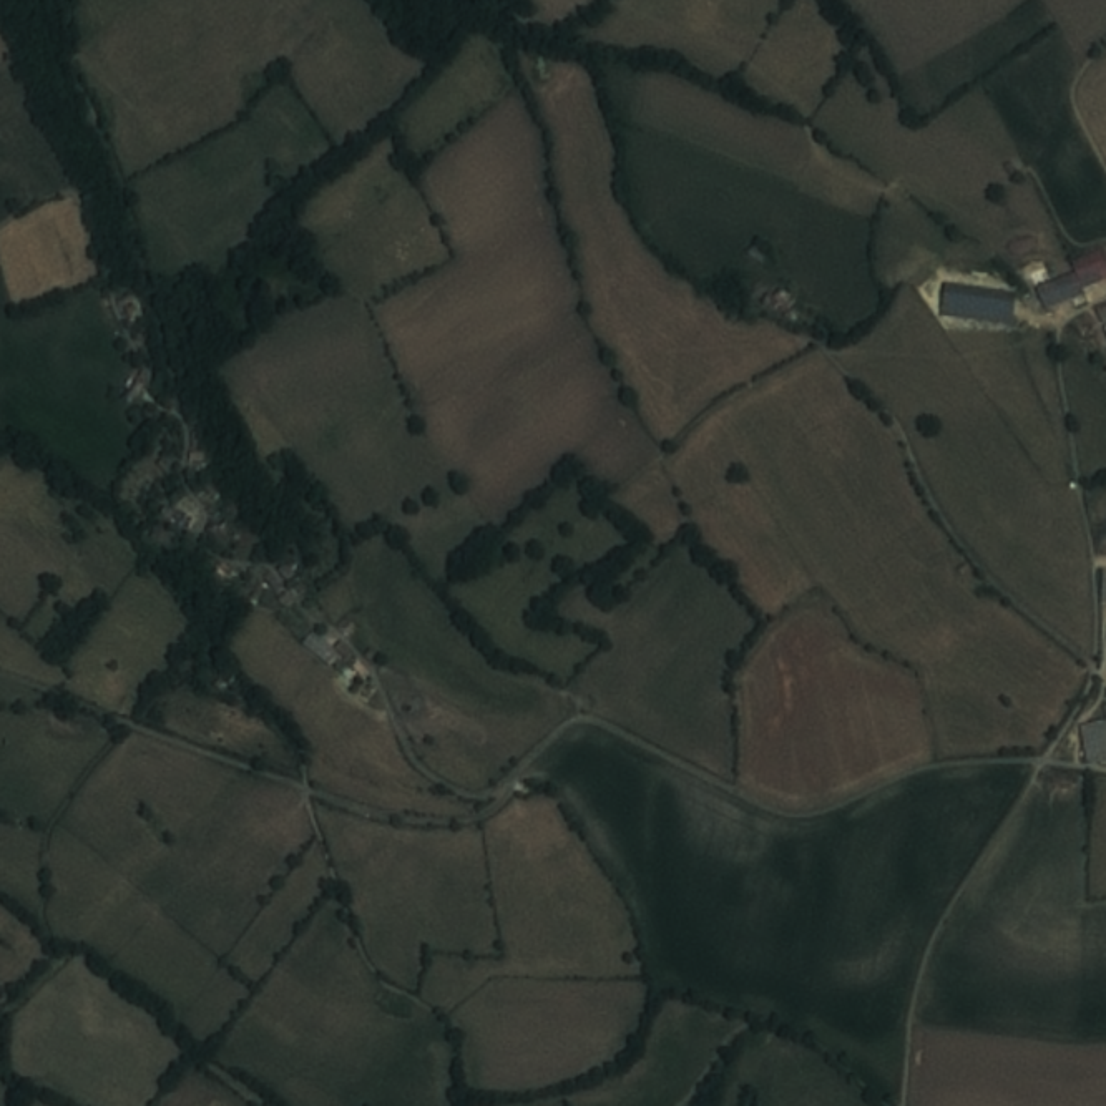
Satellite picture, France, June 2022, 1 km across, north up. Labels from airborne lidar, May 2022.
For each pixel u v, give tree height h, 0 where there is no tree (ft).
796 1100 0
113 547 0
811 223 0
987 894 0
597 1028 0
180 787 0
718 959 0
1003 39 0
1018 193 0
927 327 0
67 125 51
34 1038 0
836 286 0
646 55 61
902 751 0
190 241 0
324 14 0
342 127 0
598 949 0
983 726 0
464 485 54
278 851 0
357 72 0
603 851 0
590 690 0
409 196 0
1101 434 0
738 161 0
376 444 0
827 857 0
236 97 0
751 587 0
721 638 0
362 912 0
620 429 0
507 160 0
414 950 0
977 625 0
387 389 0
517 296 0
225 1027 24
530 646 0
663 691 0
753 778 0
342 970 0
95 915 0
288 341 0
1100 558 0
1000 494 0
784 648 0
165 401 49
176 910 0
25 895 0
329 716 0
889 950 0
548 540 0
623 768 0
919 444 0
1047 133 0
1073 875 0
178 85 0
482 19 44
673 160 0
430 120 0
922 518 0
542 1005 0
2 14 44
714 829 0
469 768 0
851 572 0
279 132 0
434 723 0
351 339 0
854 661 0
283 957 31
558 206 26
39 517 0
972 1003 0
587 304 34
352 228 0
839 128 0
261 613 0
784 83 0
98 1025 0
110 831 0
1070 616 0
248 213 0
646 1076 0
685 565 0
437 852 0
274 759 0
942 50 0
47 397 0
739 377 0
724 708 0
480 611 0
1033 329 0
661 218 0
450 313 0
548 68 0
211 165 0
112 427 0
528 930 0
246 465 60
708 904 0
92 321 0
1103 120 0
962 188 0
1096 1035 0
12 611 0
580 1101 0
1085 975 0
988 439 0
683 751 0
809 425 0
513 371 0
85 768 0
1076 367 0
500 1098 28
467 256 0
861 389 61
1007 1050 0
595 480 52
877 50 38
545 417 0
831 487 0
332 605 0
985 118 0
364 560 0
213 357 46
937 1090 0
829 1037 0
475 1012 0
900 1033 0
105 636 0
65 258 0
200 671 32
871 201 0
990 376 0
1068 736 0
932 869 0
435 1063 0
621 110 0
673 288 0
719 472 0
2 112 0
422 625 0
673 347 0
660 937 0
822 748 0
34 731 0
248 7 0
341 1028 0
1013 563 0
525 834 0
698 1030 0
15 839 0
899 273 0
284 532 57
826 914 0
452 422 0
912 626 0
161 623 0
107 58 0
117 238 59
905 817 0
